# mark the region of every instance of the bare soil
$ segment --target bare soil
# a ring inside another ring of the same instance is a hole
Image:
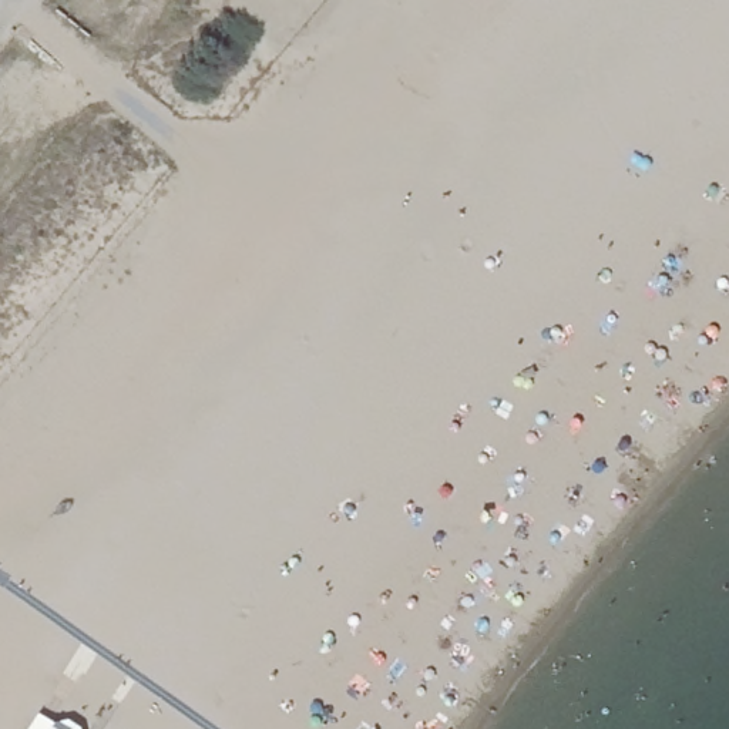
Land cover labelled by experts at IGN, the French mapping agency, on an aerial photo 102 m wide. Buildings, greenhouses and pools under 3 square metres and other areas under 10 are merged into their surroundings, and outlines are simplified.
[[[125,77],[120,60],[111,60],[103,51],[97,51],[91,40],[83,40],[60,11],[46,9],[46,3],[40,3],[17,28],[11,28],[11,40],[34,51],[43,60],[43,68],[31,68],[23,60],[14,60],[11,65],[0,68],[0,142],[28,140],[37,131],[46,131],[48,125],[68,120],[91,103],[108,103],[120,111],[125,122],[142,128],[148,137],[157,140],[162,151],[168,151],[177,159],[177,171],[168,171],[165,165],[134,171],[134,177],[125,182],[125,191],[120,185],[108,185],[105,199],[120,202],[117,211],[100,211],[85,205],[80,208],[80,219],[77,225],[71,225],[77,231],[74,251],[63,251],[63,239],[57,236],[51,251],[43,253],[40,265],[28,268],[28,273],[11,285],[9,296],[28,308],[28,319],[20,327],[14,327],[0,345],[0,729],[28,729],[31,720],[40,715],[48,720],[74,720],[80,729],[447,729],[447,723],[476,709],[478,695],[490,692],[490,669],[495,664],[504,664],[507,658],[515,658],[515,635],[527,632],[544,607],[561,598],[572,578],[584,570],[584,558],[595,555],[595,547],[607,541],[609,533],[618,527],[624,510],[646,510],[658,498],[664,498],[664,490],[675,484],[675,453],[689,441],[692,430],[703,421],[703,416],[712,407],[729,399],[729,0],[199,0],[199,9],[208,9],[216,17],[222,9],[242,9],[262,20],[262,40],[248,54],[248,63],[225,83],[225,91],[211,103],[194,103],[182,97],[174,88],[174,80],[142,68],[142,77],[151,83],[151,91],[145,94],[142,88],[137,88],[131,77]]]

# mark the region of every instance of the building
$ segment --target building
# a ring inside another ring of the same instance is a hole
[[[40,715],[31,720],[28,729],[80,729],[74,720],[48,720]]]

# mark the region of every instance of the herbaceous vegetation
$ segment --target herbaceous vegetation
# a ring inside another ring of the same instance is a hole
[[[23,60],[31,68],[43,68],[43,60],[34,51],[11,40],[0,48],[0,68],[11,65],[14,60]]]
[[[120,60],[125,77],[131,77],[137,88],[142,88],[145,94],[151,91],[151,83],[142,77],[142,68],[174,80],[182,54],[188,51],[188,43],[199,40],[199,31],[216,17],[208,9],[199,9],[199,0],[46,0],[46,3],[46,9],[60,11],[83,40],[91,40],[97,51],[103,51],[111,60]]]
[[[125,182],[134,177],[134,171],[165,165],[168,171],[177,171],[177,159],[168,151],[162,151],[157,140],[148,137],[142,128],[125,122],[120,111],[108,103],[91,103],[68,120],[48,125],[46,131],[37,131],[28,140],[0,142],[0,345],[14,327],[20,327],[28,319],[28,308],[9,296],[11,285],[28,273],[28,268],[40,265],[43,253],[51,251],[57,236],[63,239],[63,251],[74,251],[77,231],[71,225],[77,225],[80,219],[80,208],[85,205],[100,211],[117,211],[120,202],[105,199],[108,185],[120,185],[125,191]]]

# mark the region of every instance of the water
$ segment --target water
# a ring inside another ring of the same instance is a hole
[[[572,578],[561,598],[544,607],[527,632],[515,635],[515,658],[507,658],[504,664],[495,664],[490,669],[490,692],[478,695],[476,709],[447,723],[447,729],[729,729],[729,399],[712,407],[703,416],[703,421],[692,430],[689,441],[675,453],[675,484],[664,490],[664,498],[658,498],[646,510],[624,510],[618,527],[609,533],[607,541],[595,547],[595,555],[584,558],[584,570]]]

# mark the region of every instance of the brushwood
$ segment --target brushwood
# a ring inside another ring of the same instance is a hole
[[[248,63],[248,54],[262,40],[262,20],[242,9],[222,9],[216,17],[199,31],[199,40],[188,43],[188,51],[182,54],[174,80],[174,88],[182,97],[194,103],[211,103],[225,91],[225,83]]]

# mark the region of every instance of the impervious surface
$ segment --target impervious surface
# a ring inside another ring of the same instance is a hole
[[[0,0],[0,48],[11,40],[11,28],[17,28],[40,3],[46,3],[46,0]]]

